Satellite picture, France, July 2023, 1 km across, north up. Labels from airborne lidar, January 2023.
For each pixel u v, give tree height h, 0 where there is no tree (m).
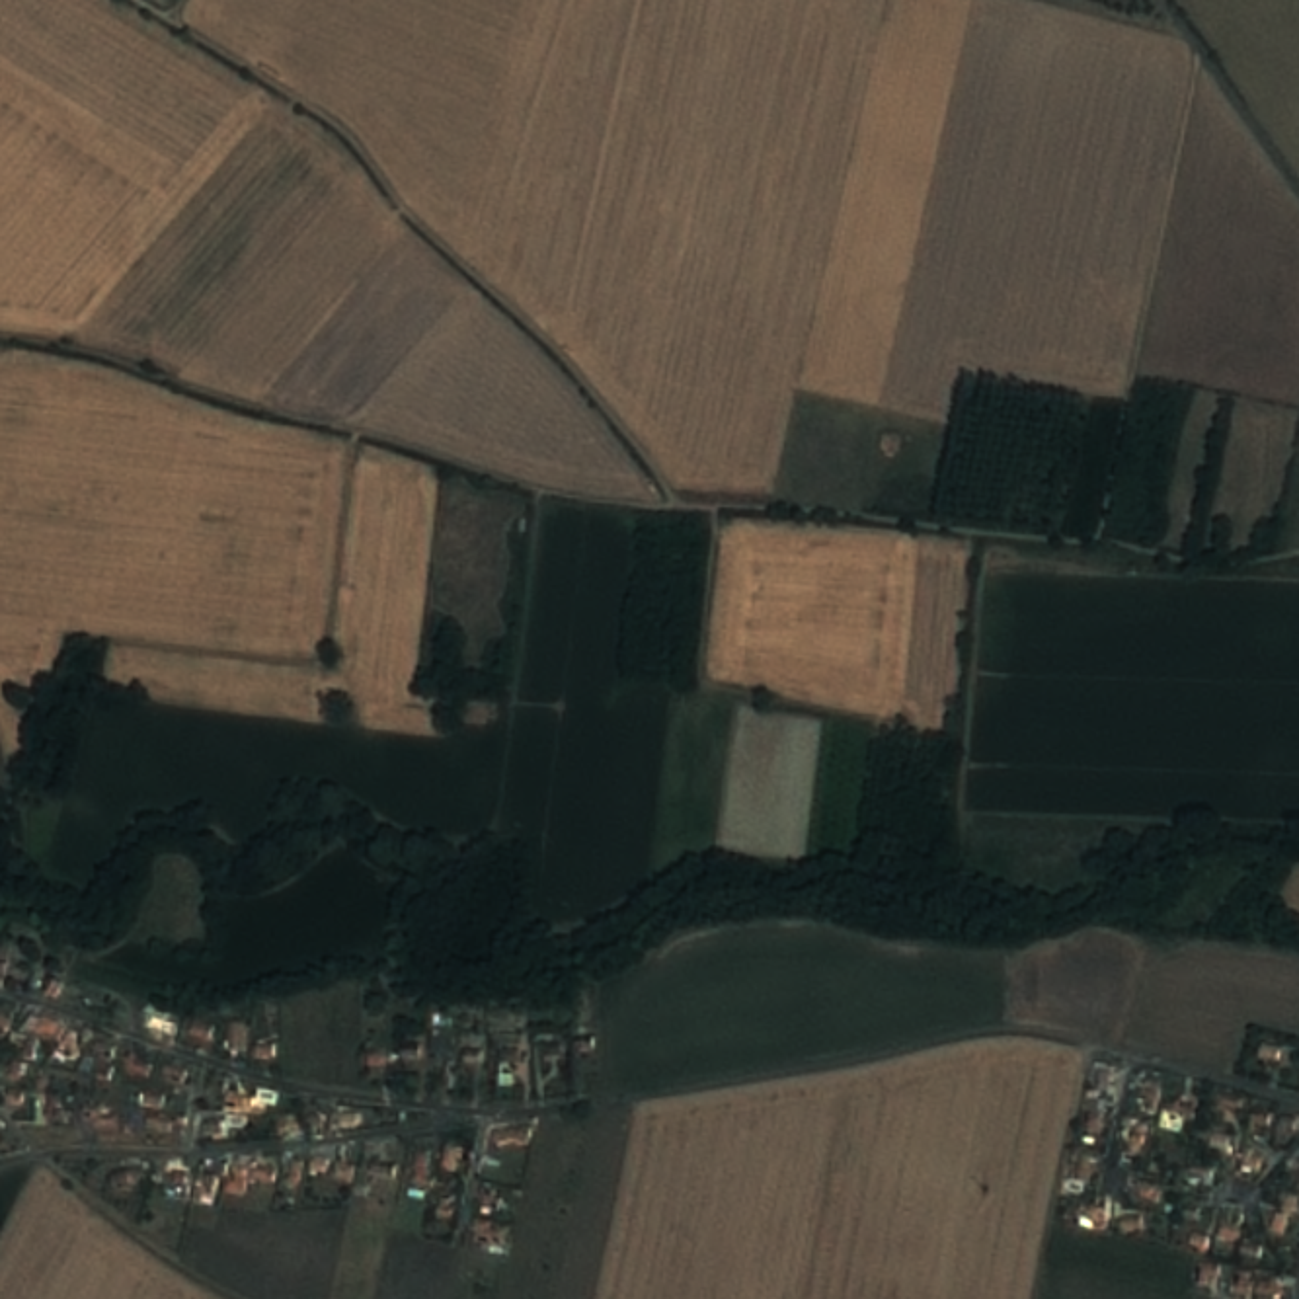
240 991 10
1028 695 0
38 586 0
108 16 0
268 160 0
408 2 0
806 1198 0
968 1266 0
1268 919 8
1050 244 0
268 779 0
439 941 21
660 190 0
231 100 0
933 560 0
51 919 19
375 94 0
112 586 0
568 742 0
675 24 0
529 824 0
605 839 0
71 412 0
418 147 0
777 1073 0
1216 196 0
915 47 0
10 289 0
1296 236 0
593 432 0
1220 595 0
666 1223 0
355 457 0
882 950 0
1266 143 0
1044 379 0
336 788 15
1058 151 0
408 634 0
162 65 0
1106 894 11
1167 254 0
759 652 0
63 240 0
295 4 0
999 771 0
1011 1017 0
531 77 0
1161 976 0
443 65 0
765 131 0
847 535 0
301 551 0
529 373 0
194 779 0
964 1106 0
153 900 0
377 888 0
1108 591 0
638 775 0
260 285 0
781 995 0
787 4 0
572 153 0
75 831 0
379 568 0
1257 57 0
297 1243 0
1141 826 0
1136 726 0
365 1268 0
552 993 16
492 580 0
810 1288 0
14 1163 0
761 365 0
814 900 14
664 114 0
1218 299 0
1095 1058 0
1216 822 28
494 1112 0
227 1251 0
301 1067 0
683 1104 0
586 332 0
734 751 0
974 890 17
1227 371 0
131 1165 0
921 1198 0
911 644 0
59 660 6
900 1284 0
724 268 0
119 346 0
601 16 0
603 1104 0
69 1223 0
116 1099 0
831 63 0
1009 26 0
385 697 0
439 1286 0
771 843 0
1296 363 0
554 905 0
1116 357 0
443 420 0
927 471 0
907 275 0
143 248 0
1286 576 0
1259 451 0
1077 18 0
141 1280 0
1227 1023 0
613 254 0
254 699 0
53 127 0
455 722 19
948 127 0
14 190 0
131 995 0
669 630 17
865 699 0
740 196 0
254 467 0
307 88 0
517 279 0
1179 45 0
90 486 0
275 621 0
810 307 0
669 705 0
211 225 0
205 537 0
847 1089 0
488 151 0
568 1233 0
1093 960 0
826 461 0
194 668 0
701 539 8
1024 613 0
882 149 0
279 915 0
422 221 0
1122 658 0
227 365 0
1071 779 0
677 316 0
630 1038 0
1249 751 0
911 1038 0
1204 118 0
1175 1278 0
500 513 0
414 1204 0
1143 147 0
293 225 0
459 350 0
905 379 0
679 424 0
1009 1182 0
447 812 0
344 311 0
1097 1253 0
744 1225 0
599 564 0
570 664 0
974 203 0
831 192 0
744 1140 0
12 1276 0
